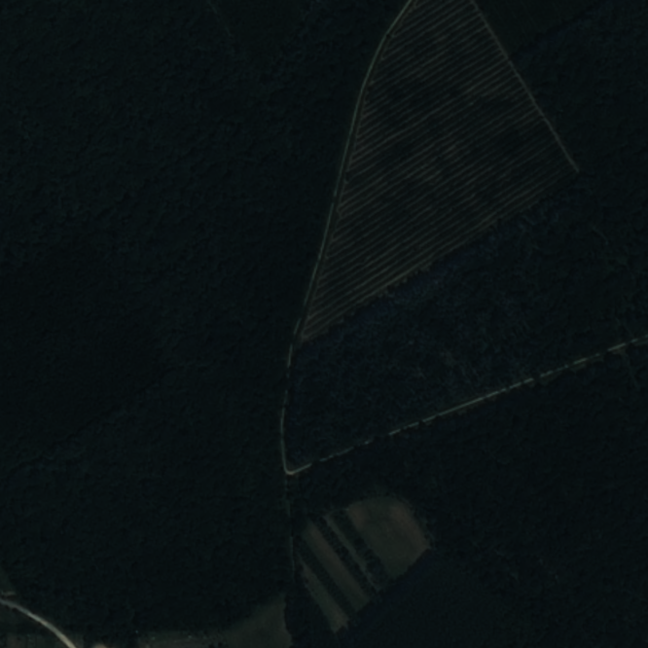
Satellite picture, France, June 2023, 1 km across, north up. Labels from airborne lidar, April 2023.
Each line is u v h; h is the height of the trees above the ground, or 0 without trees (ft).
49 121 62
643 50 68
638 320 63
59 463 74
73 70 72
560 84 77
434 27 0
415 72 0
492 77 0
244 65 67
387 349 80
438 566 85
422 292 71
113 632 19
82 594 70
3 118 68
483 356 94
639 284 65
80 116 70
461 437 54
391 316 88
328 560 0
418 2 0
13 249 75
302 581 40
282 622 0
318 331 0
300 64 65
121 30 63
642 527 77
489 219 0
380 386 85
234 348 62
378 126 0
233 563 73
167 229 81
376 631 101
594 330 60
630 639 62
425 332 94
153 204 66
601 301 69
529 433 60
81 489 71
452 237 0
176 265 54
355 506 0
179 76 72
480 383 97
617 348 0
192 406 60
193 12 71
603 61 60
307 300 0
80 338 56
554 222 67
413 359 85
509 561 67
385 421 73
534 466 70
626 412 54
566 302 78
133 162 70
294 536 18
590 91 72
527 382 0
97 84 51
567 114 74
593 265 75
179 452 61
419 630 112
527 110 0
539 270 79
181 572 68
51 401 38
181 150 55
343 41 72
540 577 70
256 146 63
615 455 70
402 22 0
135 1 68
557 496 67
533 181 0
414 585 87
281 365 51
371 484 68
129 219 73
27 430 44
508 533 61
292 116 55
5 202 65
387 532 0
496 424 54
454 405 0
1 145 59
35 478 84
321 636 106
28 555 69
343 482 56
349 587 0
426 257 0
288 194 66
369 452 57
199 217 61
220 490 64
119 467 63
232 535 69
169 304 66
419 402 85
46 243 48
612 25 73
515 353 115
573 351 73
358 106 0
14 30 68
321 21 67
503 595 63
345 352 73
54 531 72
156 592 72
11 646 0
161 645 0
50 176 67
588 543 60
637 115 75
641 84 65
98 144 62
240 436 61
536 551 64
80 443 74
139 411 62
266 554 72
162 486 64
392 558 0
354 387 76
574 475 65
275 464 61
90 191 59
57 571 70
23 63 69
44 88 66
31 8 71
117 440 63
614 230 75
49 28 69
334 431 90
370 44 66
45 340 47
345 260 0
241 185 73
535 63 73
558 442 61
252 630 0
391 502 0
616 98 86
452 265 78
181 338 63
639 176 77
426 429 61
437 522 60
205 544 65
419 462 54
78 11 66
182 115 75
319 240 52
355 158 0
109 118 69
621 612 61
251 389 62
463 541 78
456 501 51
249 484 62
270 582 64
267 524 65
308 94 66
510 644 28
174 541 81
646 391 62
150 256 78
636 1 64
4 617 0
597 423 70
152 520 60
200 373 66
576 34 72
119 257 65
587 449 72
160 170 73
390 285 0
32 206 77
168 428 67
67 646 0
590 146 77
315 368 64
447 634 110
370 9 73
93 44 77
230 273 42
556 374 0
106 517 68
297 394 81
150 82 68
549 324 78
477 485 61
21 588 52
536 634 66
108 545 73
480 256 75
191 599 68
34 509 74
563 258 73
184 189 61
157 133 60
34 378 44
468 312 79
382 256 0
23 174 66
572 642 66
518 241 71
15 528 69
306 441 76
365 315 93
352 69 72
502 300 88
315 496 74
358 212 0
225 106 77
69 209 64
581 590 61
